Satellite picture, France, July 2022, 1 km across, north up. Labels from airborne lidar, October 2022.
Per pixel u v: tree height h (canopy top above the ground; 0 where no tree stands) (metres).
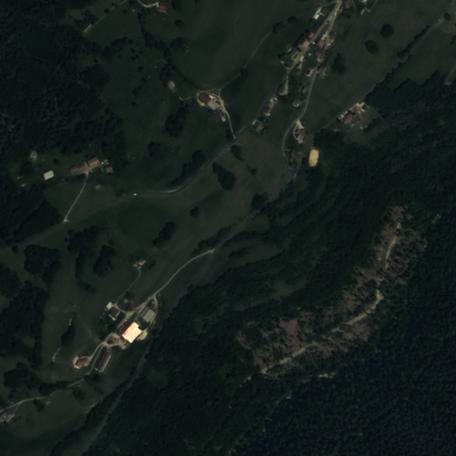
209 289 15
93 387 0
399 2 0
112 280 0
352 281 24
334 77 0
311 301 20
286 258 13
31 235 9
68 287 0
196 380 36
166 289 0
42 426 0
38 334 18
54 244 0
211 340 20
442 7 0
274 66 0
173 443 33
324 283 23
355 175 22
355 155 15
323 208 7
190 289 11
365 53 0
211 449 23
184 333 6
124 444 17
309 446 28
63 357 0
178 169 0
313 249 12
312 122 0
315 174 24
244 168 0
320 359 23
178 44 21
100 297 0
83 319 0
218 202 0
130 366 0
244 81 0
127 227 0
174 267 0
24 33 9
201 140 0
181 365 6
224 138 0
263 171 0
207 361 31
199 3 13
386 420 30
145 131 0
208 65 0
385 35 19
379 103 20
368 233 24
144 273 0
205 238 0
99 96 24
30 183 0
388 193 22
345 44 0
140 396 11
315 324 9
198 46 0
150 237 0
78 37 10
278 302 11
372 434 24
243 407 28
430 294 34
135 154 0
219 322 7
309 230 13
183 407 32
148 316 0
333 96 0
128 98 0
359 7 0
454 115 8
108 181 0
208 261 0
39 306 24
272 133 0
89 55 14
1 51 23
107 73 16
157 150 19
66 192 0
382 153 15
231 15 0
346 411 30
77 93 27
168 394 26
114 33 0
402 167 15
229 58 0
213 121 0
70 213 0
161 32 0
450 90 14
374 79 0
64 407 0
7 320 14
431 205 29
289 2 0
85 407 0
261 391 27
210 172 0
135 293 0
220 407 30
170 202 0
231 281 9
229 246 13
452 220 31
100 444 6
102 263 21
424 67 0
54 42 15
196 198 0
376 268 6
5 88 27
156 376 0
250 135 0
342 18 0
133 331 0
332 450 34
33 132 28
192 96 0
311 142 0
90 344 0
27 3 8
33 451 0
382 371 27
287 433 35
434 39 0
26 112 26
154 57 0
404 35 0
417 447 28
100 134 13
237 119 0
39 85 25
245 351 34
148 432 24
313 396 26
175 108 0
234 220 0
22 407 0
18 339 8
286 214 11
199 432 29
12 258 0
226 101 0
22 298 13
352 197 7
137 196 0
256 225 0
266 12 0
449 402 10
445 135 14
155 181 0
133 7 14
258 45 0
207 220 0
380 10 0
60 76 24
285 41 0
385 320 22
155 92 0
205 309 9
